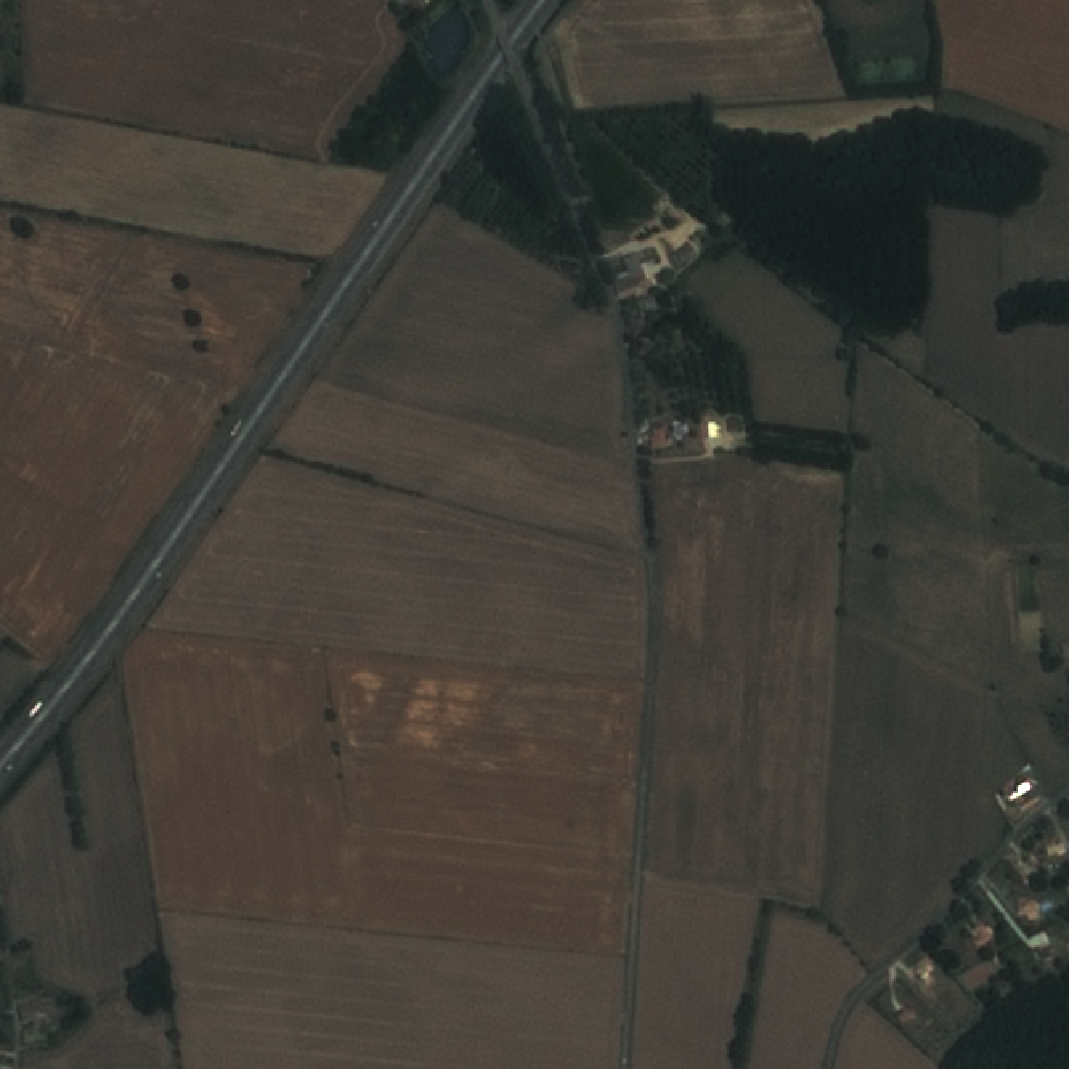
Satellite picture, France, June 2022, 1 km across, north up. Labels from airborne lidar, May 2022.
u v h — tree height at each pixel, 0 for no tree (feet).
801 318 0
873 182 54
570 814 0
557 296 0
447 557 0
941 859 0
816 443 24
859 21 0
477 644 0
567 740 0
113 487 0
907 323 31
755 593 0
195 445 0
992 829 0
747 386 24
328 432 0
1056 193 0
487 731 0
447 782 0
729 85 0
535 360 0
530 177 69
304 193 0
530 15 0
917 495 0
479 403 0
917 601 0
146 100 0
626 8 0
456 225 0
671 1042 0
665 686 0
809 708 0
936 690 0
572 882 0
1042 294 57
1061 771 0
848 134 44
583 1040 0
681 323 43
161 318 0
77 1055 0
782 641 0
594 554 0
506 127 63
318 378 0
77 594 0
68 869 0
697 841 0
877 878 0
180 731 0
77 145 0
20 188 0
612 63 0
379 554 0
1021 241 0
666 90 0
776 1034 0
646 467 25
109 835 0
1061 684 0
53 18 0
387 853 0
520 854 0
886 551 37
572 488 0
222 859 0
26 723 0
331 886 0
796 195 59
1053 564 0
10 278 0
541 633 0
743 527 0
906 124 51
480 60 0
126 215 0
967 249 0
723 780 0
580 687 0
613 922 0
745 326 0
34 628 0
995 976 29
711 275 0
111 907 0
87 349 0
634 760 0
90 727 0
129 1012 0
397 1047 0
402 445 0
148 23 0
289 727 0
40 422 0
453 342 0
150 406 0
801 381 0
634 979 0
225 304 0
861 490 0
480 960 0
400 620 0
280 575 0
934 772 0
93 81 0
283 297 0
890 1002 0
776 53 0
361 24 0
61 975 0
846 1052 0
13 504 0
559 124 68
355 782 0
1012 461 0
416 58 36
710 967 0
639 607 0
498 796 0
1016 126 0
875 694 0
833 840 0
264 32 0
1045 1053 48
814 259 64
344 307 0
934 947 55
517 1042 0
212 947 0
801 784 0
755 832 0
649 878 0
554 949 0
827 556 0
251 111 0
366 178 0
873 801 0
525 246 21
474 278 0
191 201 0
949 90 0
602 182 0
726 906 0
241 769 0
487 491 0
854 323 26
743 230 52
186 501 0
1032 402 0
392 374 0
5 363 0
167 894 0
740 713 0
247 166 0
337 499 0
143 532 0
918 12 0
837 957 0
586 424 0
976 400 0
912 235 61
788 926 0
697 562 0
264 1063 0
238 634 0
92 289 0
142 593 0
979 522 0
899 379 0
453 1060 0
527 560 0
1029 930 27
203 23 0
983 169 64
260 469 0
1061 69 0
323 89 0
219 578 0
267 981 0
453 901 0
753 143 57
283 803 0
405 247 0
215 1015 0
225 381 0
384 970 0
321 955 0
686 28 0
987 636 0
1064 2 0
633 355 28
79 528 0
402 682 0
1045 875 33
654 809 0
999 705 0
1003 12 0
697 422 19
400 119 23
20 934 0
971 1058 47
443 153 0
